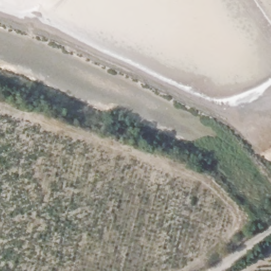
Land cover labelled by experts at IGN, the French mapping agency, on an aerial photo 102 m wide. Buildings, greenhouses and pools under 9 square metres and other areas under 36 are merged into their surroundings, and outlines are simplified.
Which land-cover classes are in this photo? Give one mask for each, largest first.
<instances>
[{"label":"vineyard","instance_id":"1","mask_svg":"<svg viewBox=\"0 0 271 271\"><path fill-rule=\"evenodd\" d=\"M232 223L229 209L200 182L171 177L165 171L152 168L149 163L139 161L134 156H121L118 150H104L100 144H87L84 140L73 142L69 135L62 137L52 131H40V125H34L30 120H15L10 115L0 114V271H195L207 263L209 258L206 257L207 251L216 247L219 242L218 236L222 237V232H227L229 224Z\"/></svg>","mask_w":271,"mask_h":271},{"label":"pervious surface","instance_id":"2","mask_svg":"<svg viewBox=\"0 0 271 271\"><path fill-rule=\"evenodd\" d=\"M242 4L245 17L251 18L258 28L255 43L259 58V79L255 82L250 80L247 83L217 86L209 76L196 75L161 64L159 60L151 57L158 53L152 44H147L143 48H133L124 40H114L111 32L90 33L79 28L70 21L71 16L66 11L51 4V0H0V68L24 74L95 109L108 110L125 107L133 113H138L142 120L148 121L149 127L167 131L171 137L178 140L192 141L207 135L215 137L216 132L211 127L204 126L191 112L177 109L174 103L179 102L186 108H195L199 114L211 119L217 118L233 127L252 145L258 155L264 156L266 151L271 153V0H238Z\"/></svg>","mask_w":271,"mask_h":271},{"label":"water","instance_id":"3","mask_svg":"<svg viewBox=\"0 0 271 271\"><path fill-rule=\"evenodd\" d=\"M51 4L66 11L71 16L70 21L79 28L90 33L111 32L114 40H124L133 48H143L147 44H152L158 53L151 57L159 60L161 64L196 75L209 76L217 86L247 83L250 80L255 82L259 79V58L255 43L258 28L251 18L245 17L242 4L238 0H51Z\"/></svg>","mask_w":271,"mask_h":271},{"label":"brushwood","instance_id":"4","mask_svg":"<svg viewBox=\"0 0 271 271\"><path fill-rule=\"evenodd\" d=\"M0 88L19 92L26 106L40 101H46L49 108L58 104L64 105L67 113L62 121L89 130L101 138L111 137L105 130L108 124L112 123L108 110L95 109L24 74L0 68ZM177 109L191 112L204 126L211 127L216 132L215 137L207 135L192 141L198 148L214 151L218 164L210 175L238 205H242L243 212L248 213L250 218V222L228 242L227 250L231 253L245 248L246 242L255 235L267 229L271 230V153L266 151L264 156L258 155L252 145L233 127L217 118L211 119L199 114L195 108H186L179 102L174 103Z\"/></svg>","mask_w":271,"mask_h":271},{"label":"deciduous trees","instance_id":"5","mask_svg":"<svg viewBox=\"0 0 271 271\"><path fill-rule=\"evenodd\" d=\"M0 102L12 104L22 111L36 112L46 118L62 121L67 113L64 105L58 104L49 108L46 101H40L26 106L19 92L0 88ZM112 123L108 124L105 130L111 137L123 140L125 145L151 155L183 163L186 168L199 174L210 175L218 164L214 151L198 148L192 141L178 140L171 137L167 131L149 127L148 121L142 120L138 113H133L125 107L108 110ZM224 271H271V235L258 242Z\"/></svg>","mask_w":271,"mask_h":271},{"label":"plowed land","instance_id":"6","mask_svg":"<svg viewBox=\"0 0 271 271\"><path fill-rule=\"evenodd\" d=\"M0 114L10 115L15 120H30L34 125H40V131H52L62 137L69 135L73 142L84 140L87 144H100L104 150H118L121 156H134L139 161L149 163L152 168L165 171L171 177L200 182L229 209L232 223L229 224L227 232H222V237L228 242L250 222V218L248 213L243 212L242 205H238L210 175L199 174L186 168L183 163L151 155L125 145L123 140L111 137L101 138L89 130L62 121L46 118L36 112L22 111L12 104L0 102Z\"/></svg>","mask_w":271,"mask_h":271},{"label":"impervious surface","instance_id":"7","mask_svg":"<svg viewBox=\"0 0 271 271\"><path fill-rule=\"evenodd\" d=\"M271 235V230L267 229L255 235L246 242L245 248L231 253L223 259L216 253L209 258L207 263L195 271H224L258 242Z\"/></svg>","mask_w":271,"mask_h":271},{"label":"herbaceous vegetation","instance_id":"8","mask_svg":"<svg viewBox=\"0 0 271 271\"><path fill-rule=\"evenodd\" d=\"M219 242L216 247L207 251L206 257L209 258L216 253L223 259L231 253L227 250L228 242L222 237L218 236Z\"/></svg>","mask_w":271,"mask_h":271}]
</instances>
